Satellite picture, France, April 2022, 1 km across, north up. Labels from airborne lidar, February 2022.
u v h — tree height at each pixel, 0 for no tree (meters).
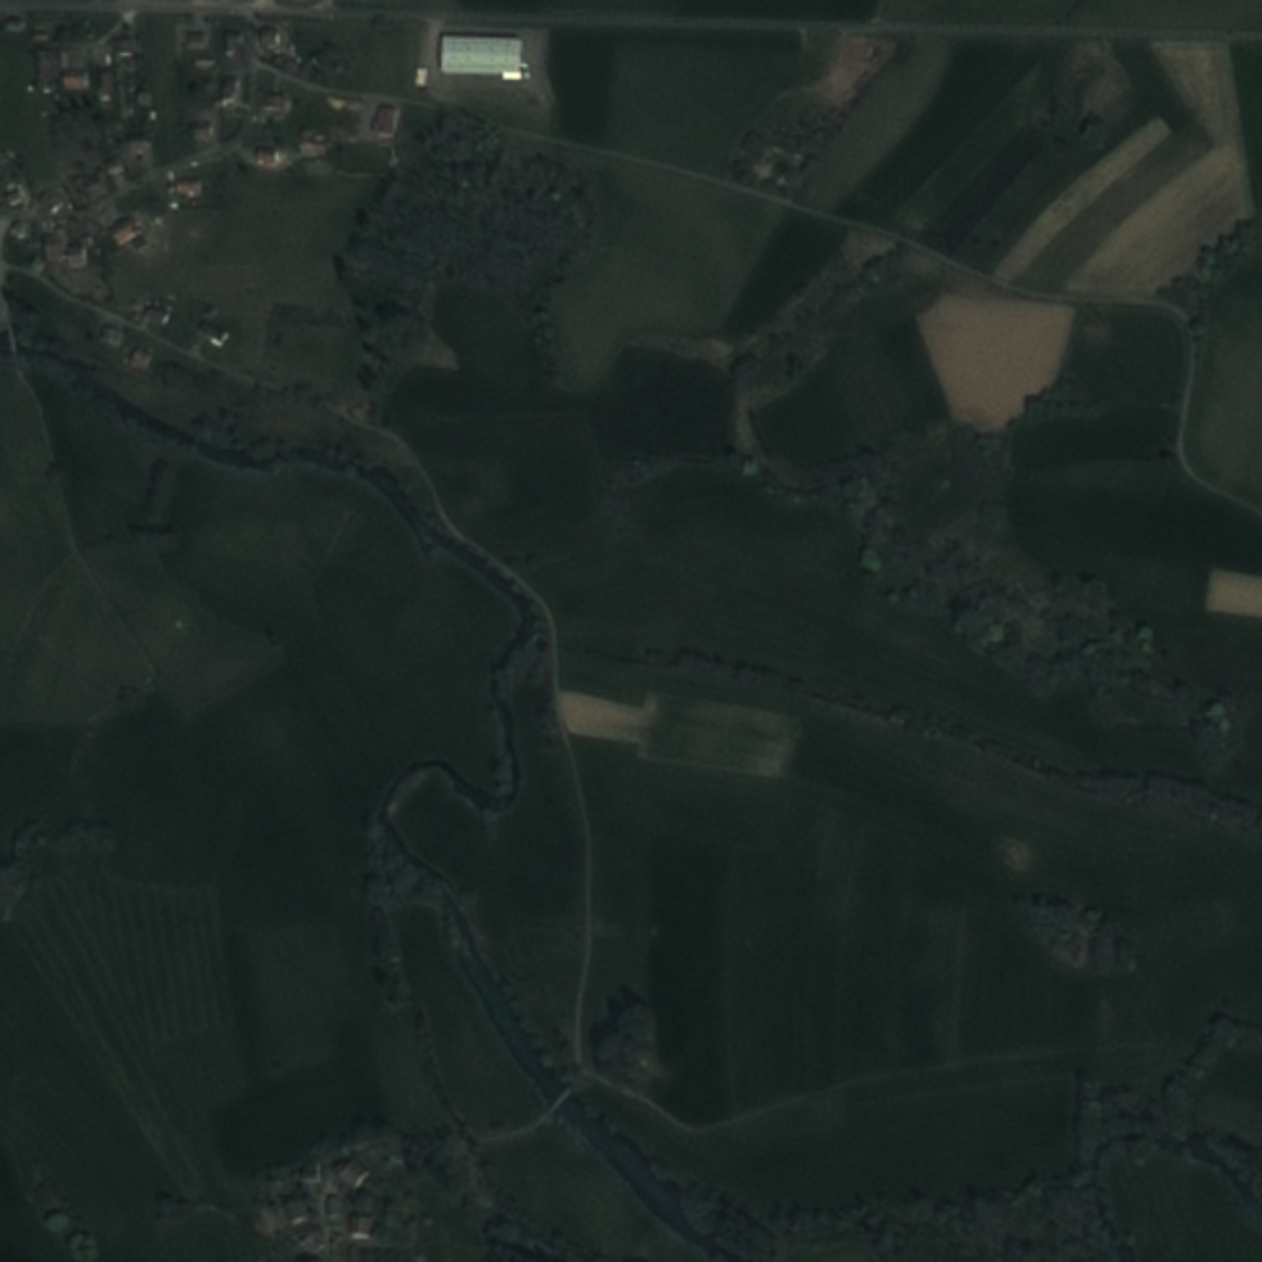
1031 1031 0
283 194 0
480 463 0
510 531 0
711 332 0
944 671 0
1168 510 0
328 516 0
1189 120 0
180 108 0
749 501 0
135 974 0
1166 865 0
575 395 0
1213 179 0
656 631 0
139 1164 0
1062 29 0
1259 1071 0
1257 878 0
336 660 0
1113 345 0
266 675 0
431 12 0
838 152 0
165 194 0
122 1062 0
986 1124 0
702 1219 9
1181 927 0
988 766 0
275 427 0
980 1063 0
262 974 0
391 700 0
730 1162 0
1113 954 19
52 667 0
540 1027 0
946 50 0
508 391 0
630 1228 0
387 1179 0
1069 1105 0
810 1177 0
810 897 0
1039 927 21
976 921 0
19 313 26
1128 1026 0
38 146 0
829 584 0
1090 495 0
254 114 0
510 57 0
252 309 0
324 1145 6
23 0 0
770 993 0
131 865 0
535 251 13
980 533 0
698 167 0
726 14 0
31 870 12
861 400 0
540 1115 0
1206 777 0
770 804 0
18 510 0
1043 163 0
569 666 0
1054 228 0
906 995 0
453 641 0
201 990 0
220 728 0
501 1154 0
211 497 0
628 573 0
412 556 0
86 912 0
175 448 24
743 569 0
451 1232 0
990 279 0
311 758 0
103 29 0
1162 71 0
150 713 0
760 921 0
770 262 0
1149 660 0
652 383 0
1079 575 0
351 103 0
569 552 0
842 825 0
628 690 0
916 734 6
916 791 0
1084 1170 11
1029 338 0
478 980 0
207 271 0
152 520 15
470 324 0
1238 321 0
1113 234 0
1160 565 0
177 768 0
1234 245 10
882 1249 17
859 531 0
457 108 0
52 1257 0
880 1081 0
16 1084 0
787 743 0
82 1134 0
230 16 0
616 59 0
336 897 0
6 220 0
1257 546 0
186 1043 0
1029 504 0
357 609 0
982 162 0
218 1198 0
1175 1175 0
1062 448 0
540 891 0
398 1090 0
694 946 0
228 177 0
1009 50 0
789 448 0
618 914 0
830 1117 0
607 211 0
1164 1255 0
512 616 0
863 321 0
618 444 0
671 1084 0
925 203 0
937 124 0
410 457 0
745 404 0
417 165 0
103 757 0
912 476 0
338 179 0
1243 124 0
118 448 0
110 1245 0
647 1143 0
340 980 0
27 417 0
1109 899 0
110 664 0
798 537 0
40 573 0
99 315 0
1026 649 16
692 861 0
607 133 0
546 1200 0
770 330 0
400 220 18
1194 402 0
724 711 0
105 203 0
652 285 0
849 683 0
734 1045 0
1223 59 0
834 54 0
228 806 0
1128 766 0
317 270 0
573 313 0
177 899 0
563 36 0
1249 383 0
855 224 0
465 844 0
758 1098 0
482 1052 0
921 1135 0
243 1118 0
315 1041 0
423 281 22
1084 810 0
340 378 0
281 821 0
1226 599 0
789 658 0
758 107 0
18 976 0
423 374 0
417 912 0
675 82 0
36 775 0
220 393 20
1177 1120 17
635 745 0
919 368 0
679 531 0
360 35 0
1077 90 0
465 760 0
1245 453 0
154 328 0
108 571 0
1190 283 7
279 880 0
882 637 0
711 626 0
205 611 0
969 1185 0
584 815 0
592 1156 0
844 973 0
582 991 0
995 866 0
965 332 0
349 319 0
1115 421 0
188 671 0
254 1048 0
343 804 0
